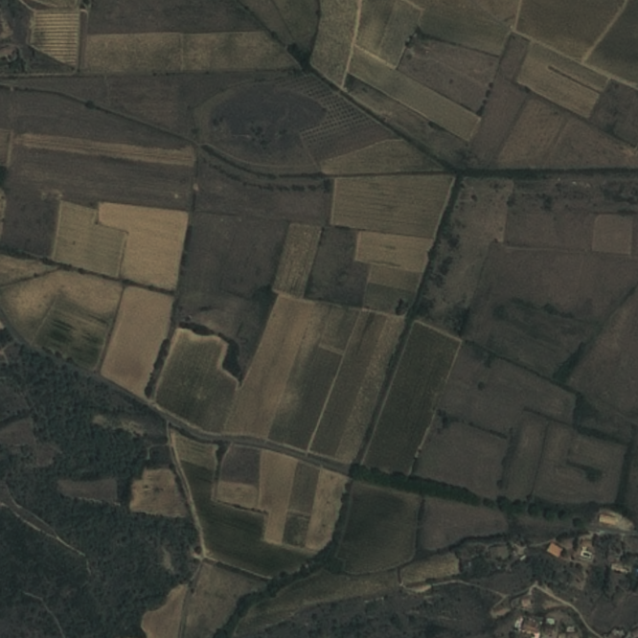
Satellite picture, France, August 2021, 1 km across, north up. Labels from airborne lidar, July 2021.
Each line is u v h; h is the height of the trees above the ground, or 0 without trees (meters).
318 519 0
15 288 0
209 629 0
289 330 0
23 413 7
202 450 0
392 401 0
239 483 0
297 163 0
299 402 0
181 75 0
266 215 0
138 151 0
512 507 16
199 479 0
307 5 0
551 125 0
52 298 0
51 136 0
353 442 0
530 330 0
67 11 0
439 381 0
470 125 0
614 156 0
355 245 0
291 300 0
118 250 0
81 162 0
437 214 0
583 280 0
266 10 0
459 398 0
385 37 0
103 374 0
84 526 8
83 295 0
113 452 14
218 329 0
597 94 0
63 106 0
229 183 0
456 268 0
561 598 0
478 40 0
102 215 0
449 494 18
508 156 0
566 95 0
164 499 0
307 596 0
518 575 0
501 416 0
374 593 0
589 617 0
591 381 0
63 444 10
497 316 0
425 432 0
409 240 0
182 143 0
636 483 0
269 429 0
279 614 0
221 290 0
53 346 0
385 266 0
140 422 0
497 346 0
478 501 17
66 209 0
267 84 0
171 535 11
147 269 0
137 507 0
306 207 0
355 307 0
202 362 0
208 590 0
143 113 0
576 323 0
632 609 0
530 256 0
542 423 0
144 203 0
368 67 0
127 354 0
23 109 0
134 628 7
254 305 0
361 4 0
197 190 0
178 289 0
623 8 0
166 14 0
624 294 0
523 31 0
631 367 0
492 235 0
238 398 0
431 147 0
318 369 0
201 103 0
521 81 0
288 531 0
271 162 0
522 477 0
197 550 9
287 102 0
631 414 0
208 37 0
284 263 0
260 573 0
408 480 19
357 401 0
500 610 0
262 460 0
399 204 0
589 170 5
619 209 0
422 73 0
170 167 0
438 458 0
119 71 0
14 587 6
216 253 0
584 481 0
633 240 0
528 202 0
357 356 0
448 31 0
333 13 0
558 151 0
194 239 0
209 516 0
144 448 10
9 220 0
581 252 0
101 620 12
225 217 0
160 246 0
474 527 0
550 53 0
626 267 0
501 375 0
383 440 0
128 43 0
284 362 0
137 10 0
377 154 0
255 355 0
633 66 0
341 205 0
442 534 0
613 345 0
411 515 0
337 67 0
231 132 0
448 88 0
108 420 0
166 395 0
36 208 0
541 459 0
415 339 0
